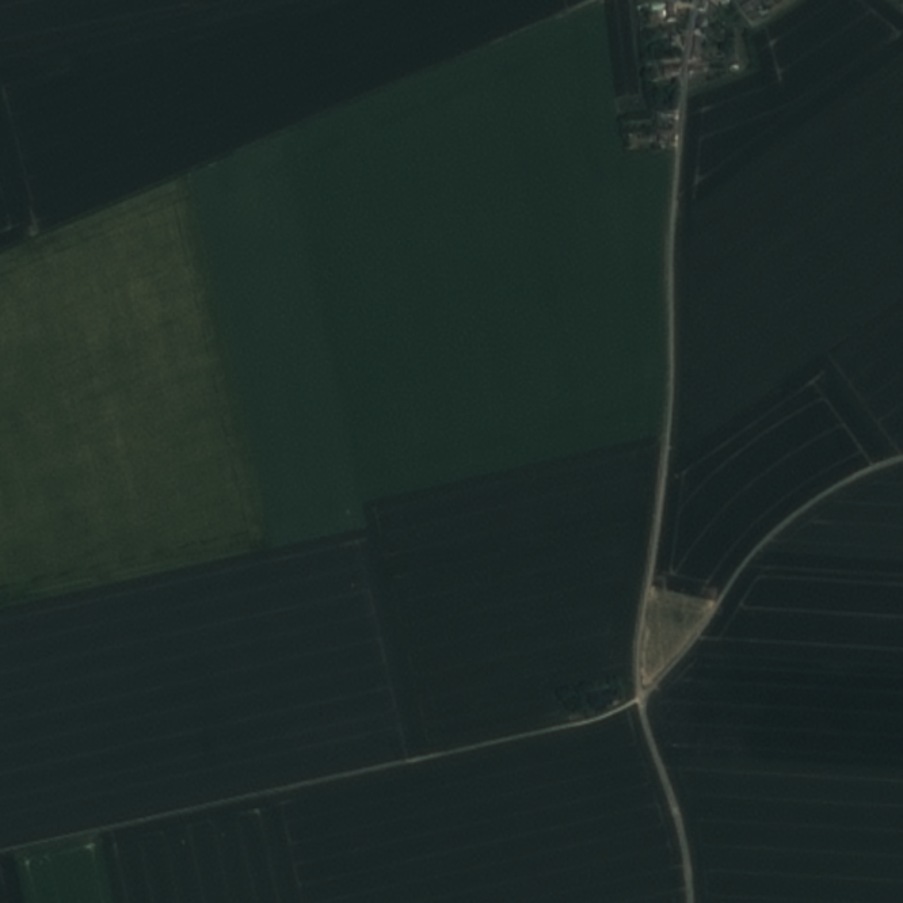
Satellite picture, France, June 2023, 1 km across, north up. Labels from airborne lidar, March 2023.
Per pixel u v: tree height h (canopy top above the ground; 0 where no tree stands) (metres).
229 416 0
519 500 0
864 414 0
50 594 0
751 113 0
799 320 0
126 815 0
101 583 0
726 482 0
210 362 0
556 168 0
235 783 0
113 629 0
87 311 0
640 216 0
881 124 0
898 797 0
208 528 0
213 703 0
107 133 0
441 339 0
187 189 0
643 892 0
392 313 0
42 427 0
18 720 0
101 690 0
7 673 0
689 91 0
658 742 0
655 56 8
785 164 0
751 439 0
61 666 0
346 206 0
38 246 0
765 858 0
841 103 0
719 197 0
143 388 0
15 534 0
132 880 0
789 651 0
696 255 0
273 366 0
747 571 0
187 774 0
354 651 0
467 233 0
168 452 0
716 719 0
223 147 0
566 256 0
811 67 0
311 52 0
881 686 0
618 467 0
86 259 0
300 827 0
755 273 0
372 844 0
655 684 0
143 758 0
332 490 0
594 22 0
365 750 0
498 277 0
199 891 0
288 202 0
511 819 0
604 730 0
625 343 0
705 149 0
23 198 0
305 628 0
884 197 0
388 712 0
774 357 0
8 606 0
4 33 0
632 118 7
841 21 0
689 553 0
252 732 0
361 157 0
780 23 0
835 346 0
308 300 0
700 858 0
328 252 0
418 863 0
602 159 0
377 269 0
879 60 0
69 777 0
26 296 0
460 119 0
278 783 0
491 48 0
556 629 0
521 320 0
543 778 0
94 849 0
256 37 0
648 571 0
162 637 0
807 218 0
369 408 0
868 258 0
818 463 0
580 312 0
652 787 0
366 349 0
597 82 0
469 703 0
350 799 0
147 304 0
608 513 0
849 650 0
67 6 0
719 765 0
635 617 0
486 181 0
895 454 0
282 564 0
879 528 0
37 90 0
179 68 0
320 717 0
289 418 0
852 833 0
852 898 0
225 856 0
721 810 0
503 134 0
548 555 0
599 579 0
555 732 0
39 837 0
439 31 0
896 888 0
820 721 0
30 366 0
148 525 0
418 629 0
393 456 0
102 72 0
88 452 0
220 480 0
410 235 0
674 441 0
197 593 0
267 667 0
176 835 0
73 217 0
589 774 0
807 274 0
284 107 0
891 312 0
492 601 0
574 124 0
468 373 0
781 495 0
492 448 0
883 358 0
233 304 0
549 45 0
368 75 0
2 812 0
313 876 0
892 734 0
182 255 0
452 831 0
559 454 0
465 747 0
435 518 0
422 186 0
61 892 0
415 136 0
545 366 0
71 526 0
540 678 0
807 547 0
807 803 0
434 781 0
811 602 0
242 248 0
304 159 0
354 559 0
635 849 0
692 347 0
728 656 0
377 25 0
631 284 0
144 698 0
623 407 0
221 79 0
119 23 0
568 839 0
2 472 0
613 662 0
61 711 0
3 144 0
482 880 0
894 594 0
